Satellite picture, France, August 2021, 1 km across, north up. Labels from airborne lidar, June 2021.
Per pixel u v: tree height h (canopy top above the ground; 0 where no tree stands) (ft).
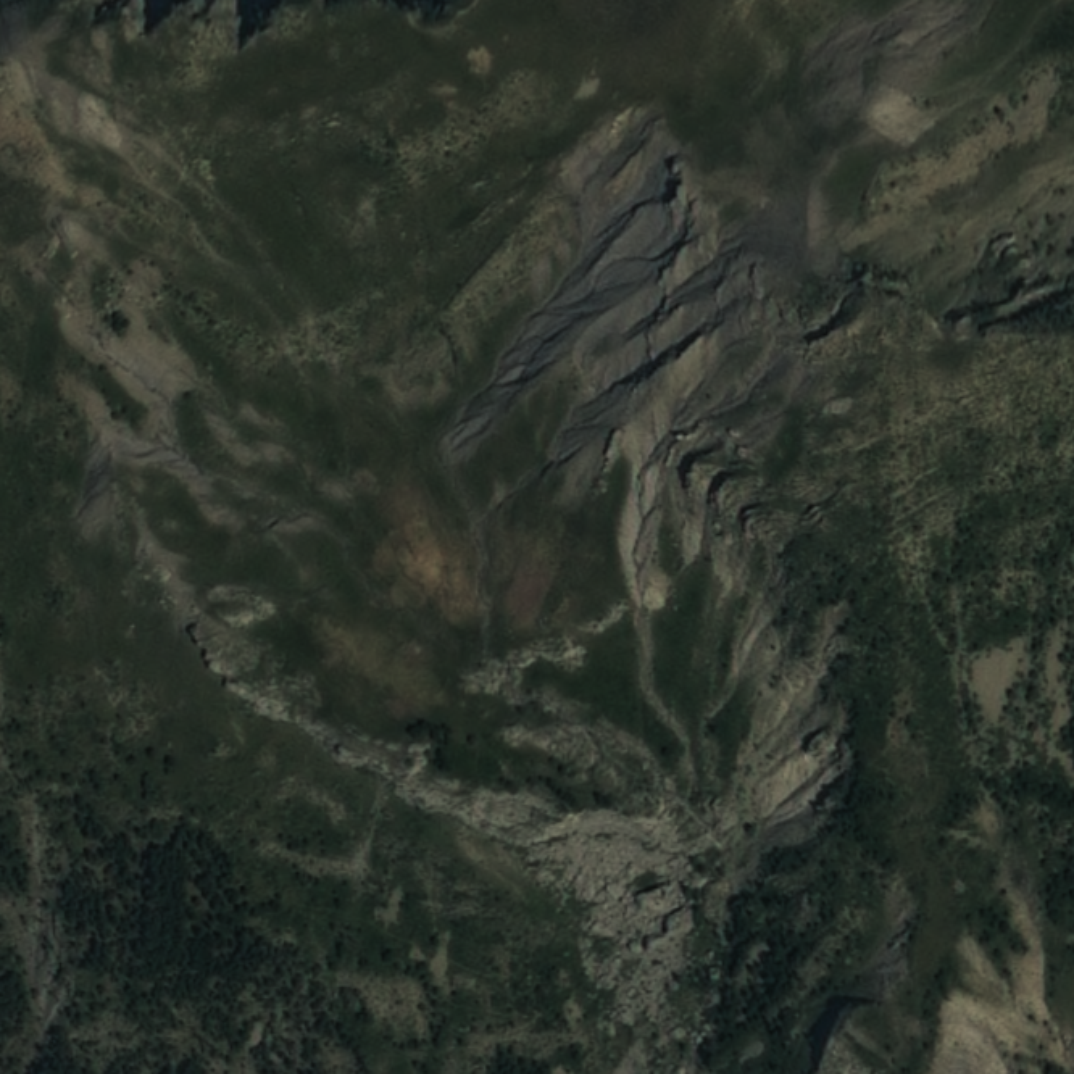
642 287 0
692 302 0
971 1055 0
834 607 29
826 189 0
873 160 0
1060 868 0
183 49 0
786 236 0
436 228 0
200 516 0
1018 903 0
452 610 0
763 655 0
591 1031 0
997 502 0
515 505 0
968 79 0
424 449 0
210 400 0
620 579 0
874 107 0
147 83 0
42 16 0
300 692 0
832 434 0
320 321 0
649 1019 0
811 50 0
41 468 0
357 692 0
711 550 0
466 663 0
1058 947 0
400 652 0
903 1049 0
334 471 0
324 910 0
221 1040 34
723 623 0
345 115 0
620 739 0
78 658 0
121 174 0
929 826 0
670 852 0
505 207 0
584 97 0
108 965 42
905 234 0
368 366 0
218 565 0
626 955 0
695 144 0
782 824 0
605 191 0
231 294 0
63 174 0
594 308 0
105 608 0
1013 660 0
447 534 0
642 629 0
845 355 0
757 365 0
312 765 0
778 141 0
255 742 0
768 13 0
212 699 0
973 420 0
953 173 0
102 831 72
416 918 0
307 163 0
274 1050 35
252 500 0
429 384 0
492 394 0
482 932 0
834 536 0
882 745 0
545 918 0
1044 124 0
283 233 0
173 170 0
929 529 0
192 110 0
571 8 0
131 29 0
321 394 0
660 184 0
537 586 0
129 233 0
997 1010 0
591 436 0
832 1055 0
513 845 0
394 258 0
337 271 0
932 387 0
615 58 0
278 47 0
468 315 0
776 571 0
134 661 0
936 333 0
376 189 0
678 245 0
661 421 0
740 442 0
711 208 0
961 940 0
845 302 0
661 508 0
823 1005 0
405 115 0
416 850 0
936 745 0
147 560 0
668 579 0
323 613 0
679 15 0
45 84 0
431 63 0
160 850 63
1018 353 0
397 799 0
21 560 0
